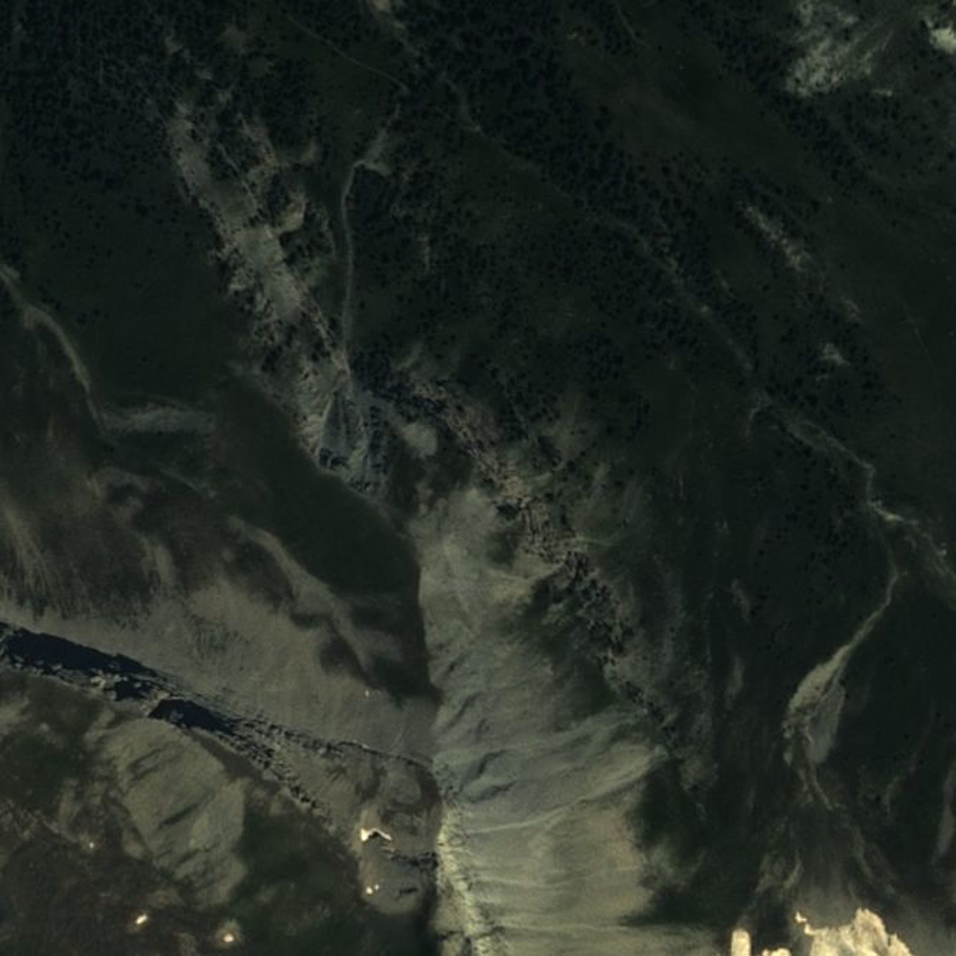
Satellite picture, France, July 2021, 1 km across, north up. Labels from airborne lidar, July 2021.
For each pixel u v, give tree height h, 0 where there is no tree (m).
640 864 0
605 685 0
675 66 0
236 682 0
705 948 0
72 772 0
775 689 0
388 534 0
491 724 0
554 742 0
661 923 0
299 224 0
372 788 0
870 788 0
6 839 0
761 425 8
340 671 0
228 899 0
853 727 0
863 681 0
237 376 0
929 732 0
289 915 0
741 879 0
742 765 0
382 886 0
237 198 0
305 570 0
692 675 0
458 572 0
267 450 0
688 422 0
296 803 0
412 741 0
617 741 0
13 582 0
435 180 13
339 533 0
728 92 0
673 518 0
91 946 0
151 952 0
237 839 0
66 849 0
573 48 0
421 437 0
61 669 0
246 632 0
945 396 0
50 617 0
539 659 0
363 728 0
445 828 0
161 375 0
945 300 0
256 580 0
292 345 10
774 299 0
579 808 0
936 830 0
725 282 0
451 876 0
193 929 0
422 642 0
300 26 0
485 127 8
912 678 0
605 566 0
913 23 0
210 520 0
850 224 0
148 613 0
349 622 0
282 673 0
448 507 0
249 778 0
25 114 12
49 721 0
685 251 6
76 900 0
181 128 0
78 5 12
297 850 0
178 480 0
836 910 0
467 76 24
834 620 0
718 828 0
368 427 0
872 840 0
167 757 0
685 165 0
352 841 0
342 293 0
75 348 0
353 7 15
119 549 0
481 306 7
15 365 0
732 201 10
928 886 0
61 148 10
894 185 0
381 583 0
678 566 0
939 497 0
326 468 0
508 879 0
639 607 0
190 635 0
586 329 0
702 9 10
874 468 0
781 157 0
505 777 0
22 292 0
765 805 0
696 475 0
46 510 0
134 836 0
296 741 0
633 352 0
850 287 0
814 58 0
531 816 0
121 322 0
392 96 7
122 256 0
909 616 0
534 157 11
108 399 0
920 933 0
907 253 0
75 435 0
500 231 0
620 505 0
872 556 0
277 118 18
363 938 0
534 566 0
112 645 0
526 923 0
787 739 0
